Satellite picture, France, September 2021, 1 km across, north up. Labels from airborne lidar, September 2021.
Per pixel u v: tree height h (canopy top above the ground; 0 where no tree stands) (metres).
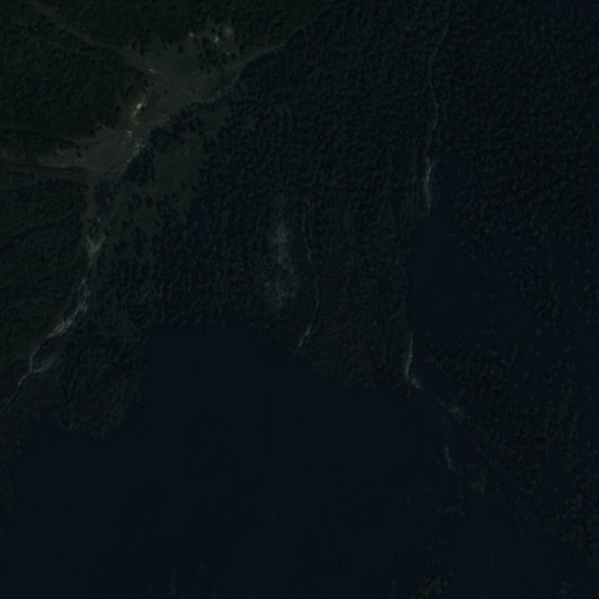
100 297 9
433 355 12
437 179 10
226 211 16
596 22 25
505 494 5
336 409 6
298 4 11
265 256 10
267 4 9
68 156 0
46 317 8
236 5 19
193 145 0
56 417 0
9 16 12
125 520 14
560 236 12
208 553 9
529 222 13
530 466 16
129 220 0
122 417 0
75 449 0
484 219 11
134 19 20
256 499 7
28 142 14
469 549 8
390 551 11
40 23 13
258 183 27
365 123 15
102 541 0
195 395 9
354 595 8
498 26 19
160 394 7
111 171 0
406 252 14
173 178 0
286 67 12
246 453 8
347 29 17
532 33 17
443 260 20
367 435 7
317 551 10
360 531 11
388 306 13
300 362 5
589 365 10
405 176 17
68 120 20
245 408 7
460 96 6
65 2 13
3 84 18
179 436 7
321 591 18
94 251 0
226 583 10
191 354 11
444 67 11
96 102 16
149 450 0
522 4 15
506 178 13
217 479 12
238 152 8
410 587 14
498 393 15
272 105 13
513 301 11
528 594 6
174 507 0
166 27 20
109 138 0
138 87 7
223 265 29
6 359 7
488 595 0
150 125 0
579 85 16
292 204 9
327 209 9
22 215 11
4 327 11
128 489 0
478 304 23
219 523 6
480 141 9
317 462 10
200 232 21
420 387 0
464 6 14
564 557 5
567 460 7
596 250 9
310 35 11
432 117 15
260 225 10
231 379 8
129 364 7
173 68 0
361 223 10
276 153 13
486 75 19
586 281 8
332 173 9
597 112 16
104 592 8
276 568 0
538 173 12
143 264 0
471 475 7
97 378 6
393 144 12
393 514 7
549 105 15
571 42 22
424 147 14
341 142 8
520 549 7
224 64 9
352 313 6
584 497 6
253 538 6
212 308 24
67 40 13
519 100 20
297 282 0
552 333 17
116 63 6
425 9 16
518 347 14
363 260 7
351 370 6
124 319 0
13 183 14
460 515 22
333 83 16
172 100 0
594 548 10
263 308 6
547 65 18
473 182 18
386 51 15
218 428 21
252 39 17
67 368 8
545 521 14
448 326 12
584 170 9
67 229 8
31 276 11
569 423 7
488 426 9
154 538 8
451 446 8
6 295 10
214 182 9
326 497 11
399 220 12
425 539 6
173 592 7
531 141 16
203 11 17
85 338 9
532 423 13
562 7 19
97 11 16
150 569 10
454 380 11
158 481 7
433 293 24
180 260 10
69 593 10
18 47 17
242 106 10
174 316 15
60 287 7
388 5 17
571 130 7
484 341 24
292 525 5
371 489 8
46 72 19
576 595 7
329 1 13
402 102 11
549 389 12
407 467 16
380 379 12
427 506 9
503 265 15
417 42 11
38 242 6
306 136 16
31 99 27
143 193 0
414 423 6
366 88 14
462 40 17
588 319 8
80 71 16
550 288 10
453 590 7
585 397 10
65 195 12
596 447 6
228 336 10
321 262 7
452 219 19
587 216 11
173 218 11
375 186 14
